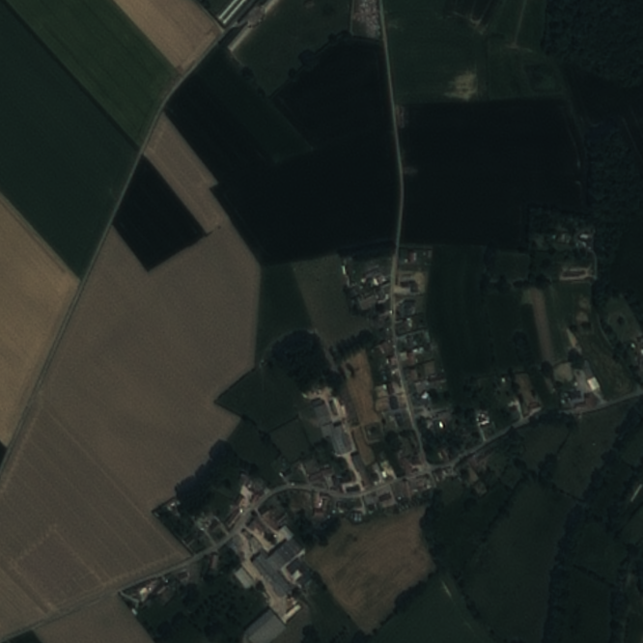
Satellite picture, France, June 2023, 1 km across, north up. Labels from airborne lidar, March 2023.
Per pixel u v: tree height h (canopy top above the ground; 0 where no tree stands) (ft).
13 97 0
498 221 0
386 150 0
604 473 32
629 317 0
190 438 0
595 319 0
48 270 0
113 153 0
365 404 0
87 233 0
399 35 0
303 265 0
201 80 0
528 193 0
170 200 0
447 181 0
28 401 0
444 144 0
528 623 0
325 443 39
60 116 0
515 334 0
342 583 0
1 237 0
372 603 0
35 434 0
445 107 0
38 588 0
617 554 0
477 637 0
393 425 0
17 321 0
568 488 0
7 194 0
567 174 0
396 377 0
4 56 0
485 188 0
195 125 0
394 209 0
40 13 0
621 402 0
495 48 0
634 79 67
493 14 0
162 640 27
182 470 0
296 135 0
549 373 57
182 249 0
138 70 0
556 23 74
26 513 0
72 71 0
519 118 0
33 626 0
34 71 0
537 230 36
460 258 0
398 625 0
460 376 0
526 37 0
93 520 0
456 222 0
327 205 0
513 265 0
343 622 0
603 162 77
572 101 0
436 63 0
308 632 59
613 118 0
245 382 0
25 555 0
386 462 0
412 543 0
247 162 0
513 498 36
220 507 0
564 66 0
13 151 0
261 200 0
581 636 0
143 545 0
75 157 0
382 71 0
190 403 0
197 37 0
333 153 0
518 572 0
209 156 0
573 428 51
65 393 0
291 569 0
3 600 0
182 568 0
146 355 0
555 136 0
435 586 0
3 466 0
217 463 79
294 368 73
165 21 0
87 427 0
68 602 0
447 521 0
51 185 0
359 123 0
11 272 0
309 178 0
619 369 0
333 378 87
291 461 0
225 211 0
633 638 0
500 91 0
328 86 0
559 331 0
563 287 0
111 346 0
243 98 0
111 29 0
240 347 0
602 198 78
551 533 0
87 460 0
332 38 35
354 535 0
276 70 0
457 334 0
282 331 0
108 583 0
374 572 0
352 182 0
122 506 0
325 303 0
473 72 0
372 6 0
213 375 0
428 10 0
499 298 0
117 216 0
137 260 0
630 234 0
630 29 67
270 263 0
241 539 0
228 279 0
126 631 0
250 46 0
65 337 0
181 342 0
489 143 0
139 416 0
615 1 92
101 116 0
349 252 43
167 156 0
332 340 0
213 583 35
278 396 0
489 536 21
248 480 0
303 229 0
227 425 0
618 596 65
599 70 68
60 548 0
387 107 0
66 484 0
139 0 0
